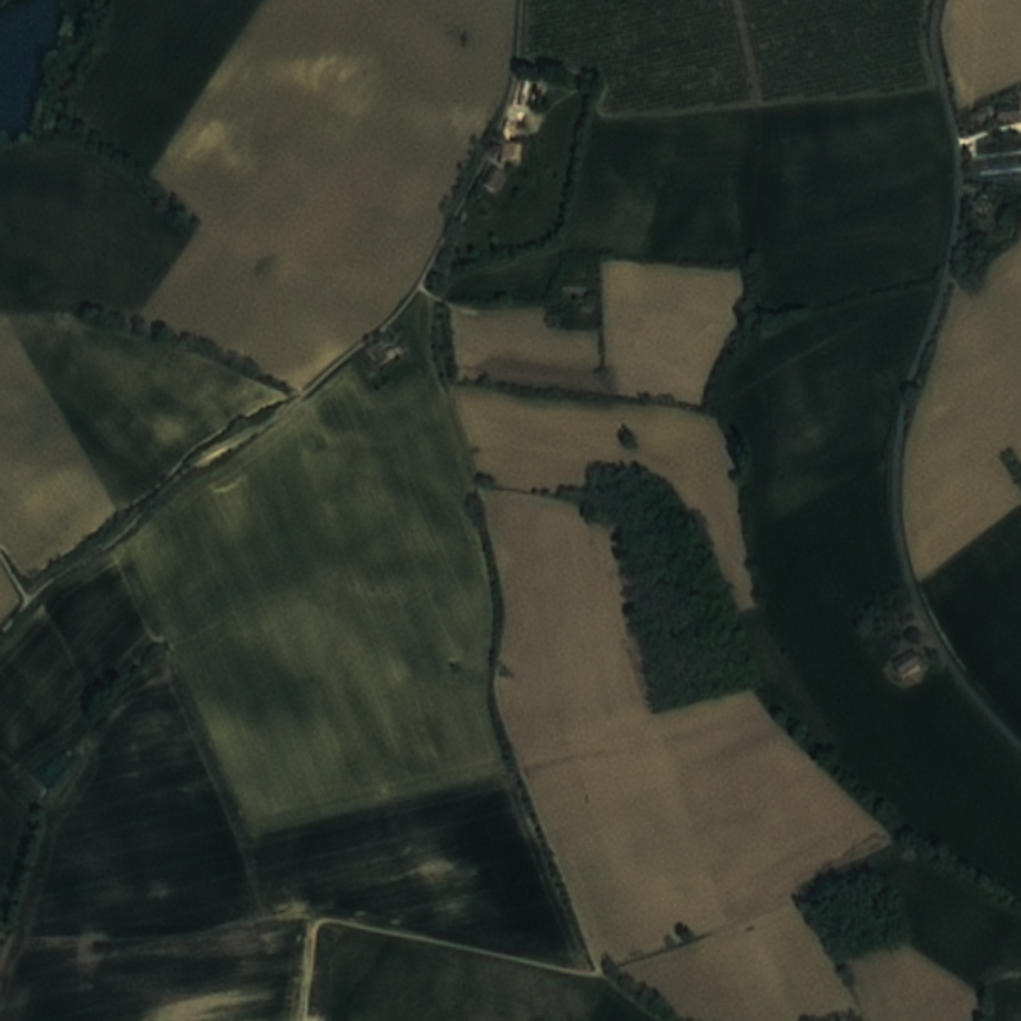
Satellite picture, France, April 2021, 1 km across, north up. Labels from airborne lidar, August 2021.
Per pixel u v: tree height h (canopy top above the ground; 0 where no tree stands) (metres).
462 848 0
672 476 0
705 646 23
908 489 0
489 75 0
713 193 0
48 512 0
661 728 0
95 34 21
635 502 22
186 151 0
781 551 0
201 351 12
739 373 0
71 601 0
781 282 0
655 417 0
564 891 8
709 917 0
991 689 0
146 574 0
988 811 0
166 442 0
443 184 0
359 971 0
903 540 0
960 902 0
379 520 0
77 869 0
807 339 0
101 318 14
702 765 0
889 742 0
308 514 0
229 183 0
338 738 0
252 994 0
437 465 0
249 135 0
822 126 0
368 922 0
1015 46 0
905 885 0
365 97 0
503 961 0
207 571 0
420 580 0
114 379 0
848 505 0
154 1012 0
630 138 0
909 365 0
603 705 0
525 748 0
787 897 0
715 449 0
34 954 0
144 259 0
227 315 0
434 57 0
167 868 0
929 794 0
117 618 0
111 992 0
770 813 0
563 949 0
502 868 0
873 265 0
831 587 0
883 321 0
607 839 0
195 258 0
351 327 0
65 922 0
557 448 0
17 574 8
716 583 24
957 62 0
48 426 0
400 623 0
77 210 0
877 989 0
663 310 0
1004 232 14
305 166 0
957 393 0
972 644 0
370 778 0
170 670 0
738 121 0
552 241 13
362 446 0
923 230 0
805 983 0
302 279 0
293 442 0
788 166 0
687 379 0
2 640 13
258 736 0
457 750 0
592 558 0
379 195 0
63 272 0
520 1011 0
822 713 0
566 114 0
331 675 0
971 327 0
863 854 0
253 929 0
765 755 0
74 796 0
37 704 0
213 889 0
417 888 0
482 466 0
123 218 0
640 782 0
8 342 0
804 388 0
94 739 0
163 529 0
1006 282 0
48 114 18
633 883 0
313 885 0
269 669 0
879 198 0
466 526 0
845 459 0
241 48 0
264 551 0
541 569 0
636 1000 11
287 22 0
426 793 0
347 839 0
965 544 0
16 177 0
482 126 0
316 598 0
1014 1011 0
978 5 0
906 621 0
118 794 0
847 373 0
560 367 0
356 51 0
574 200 12
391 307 0
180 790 0
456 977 0
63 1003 0
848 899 26
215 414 0
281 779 0
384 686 0
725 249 0
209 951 0
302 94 0
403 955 0
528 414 0
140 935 0
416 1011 0
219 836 0
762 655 0
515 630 0
